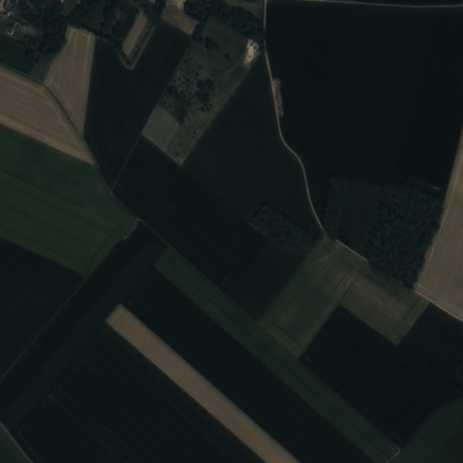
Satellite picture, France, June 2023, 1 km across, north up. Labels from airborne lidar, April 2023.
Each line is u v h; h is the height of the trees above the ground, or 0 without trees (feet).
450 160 0
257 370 0
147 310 0
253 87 0
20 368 0
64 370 0
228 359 0
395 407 0
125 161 0
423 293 0
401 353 0
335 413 0
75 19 64
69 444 0
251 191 0
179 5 0
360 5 0
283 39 0
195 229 0
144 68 0
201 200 0
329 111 0
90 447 0
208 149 0
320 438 0
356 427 0
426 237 72
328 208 41
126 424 0
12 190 0
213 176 0
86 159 0
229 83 0
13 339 0
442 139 0
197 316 0
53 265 0
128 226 0
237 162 0
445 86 0
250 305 0
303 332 0
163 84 0
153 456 0
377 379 0
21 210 0
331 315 0
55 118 0
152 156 0
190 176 0
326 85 0
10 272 0
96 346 0
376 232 83
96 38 0
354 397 0
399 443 0
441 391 0
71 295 0
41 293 0
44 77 0
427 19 0
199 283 0
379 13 0
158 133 0
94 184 0
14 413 0
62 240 0
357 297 0
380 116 0
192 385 0
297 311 0
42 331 0
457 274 0
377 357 0
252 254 0
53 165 0
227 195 0
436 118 0
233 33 0
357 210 0
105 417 0
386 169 0
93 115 0
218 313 0
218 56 0
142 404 0
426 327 0
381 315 0
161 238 0
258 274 0
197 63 0
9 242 0
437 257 0
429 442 0
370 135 0
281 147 0
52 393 0
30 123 0
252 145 0
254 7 0
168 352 0
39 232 0
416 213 79
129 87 0
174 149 0
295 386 0
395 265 72
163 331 0
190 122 0
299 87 0
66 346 0
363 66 0
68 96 0
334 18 0
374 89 0
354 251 0
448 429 0
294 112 0
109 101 0
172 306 0
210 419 0
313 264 0
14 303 0
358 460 0
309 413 0
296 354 0
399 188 76
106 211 0
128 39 0
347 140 0
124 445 0
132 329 0
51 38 80
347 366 0
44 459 0
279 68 0
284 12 0
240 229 0
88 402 0
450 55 0
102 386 0
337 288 0
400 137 0
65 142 0
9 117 0
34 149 0
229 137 0
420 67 0
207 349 0
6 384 0
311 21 0
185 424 0
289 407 0
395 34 0
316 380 0
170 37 0
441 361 0
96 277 0
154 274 0
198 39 43
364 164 0
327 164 0
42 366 0
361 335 0
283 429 0
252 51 0
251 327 0
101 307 0
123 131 0
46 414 0
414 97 0
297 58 0
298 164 0
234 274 0
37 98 0
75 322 0
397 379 0
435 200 59
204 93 48
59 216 0
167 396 0
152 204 0
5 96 0
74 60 0
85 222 0
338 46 0
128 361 0
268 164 0
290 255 0
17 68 0
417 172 0
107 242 0
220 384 0
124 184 0
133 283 0
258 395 0
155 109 0
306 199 0
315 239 26
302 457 0
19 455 0
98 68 0
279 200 0
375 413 0
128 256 0
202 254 0
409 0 0
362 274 0
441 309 0
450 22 0
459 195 0
